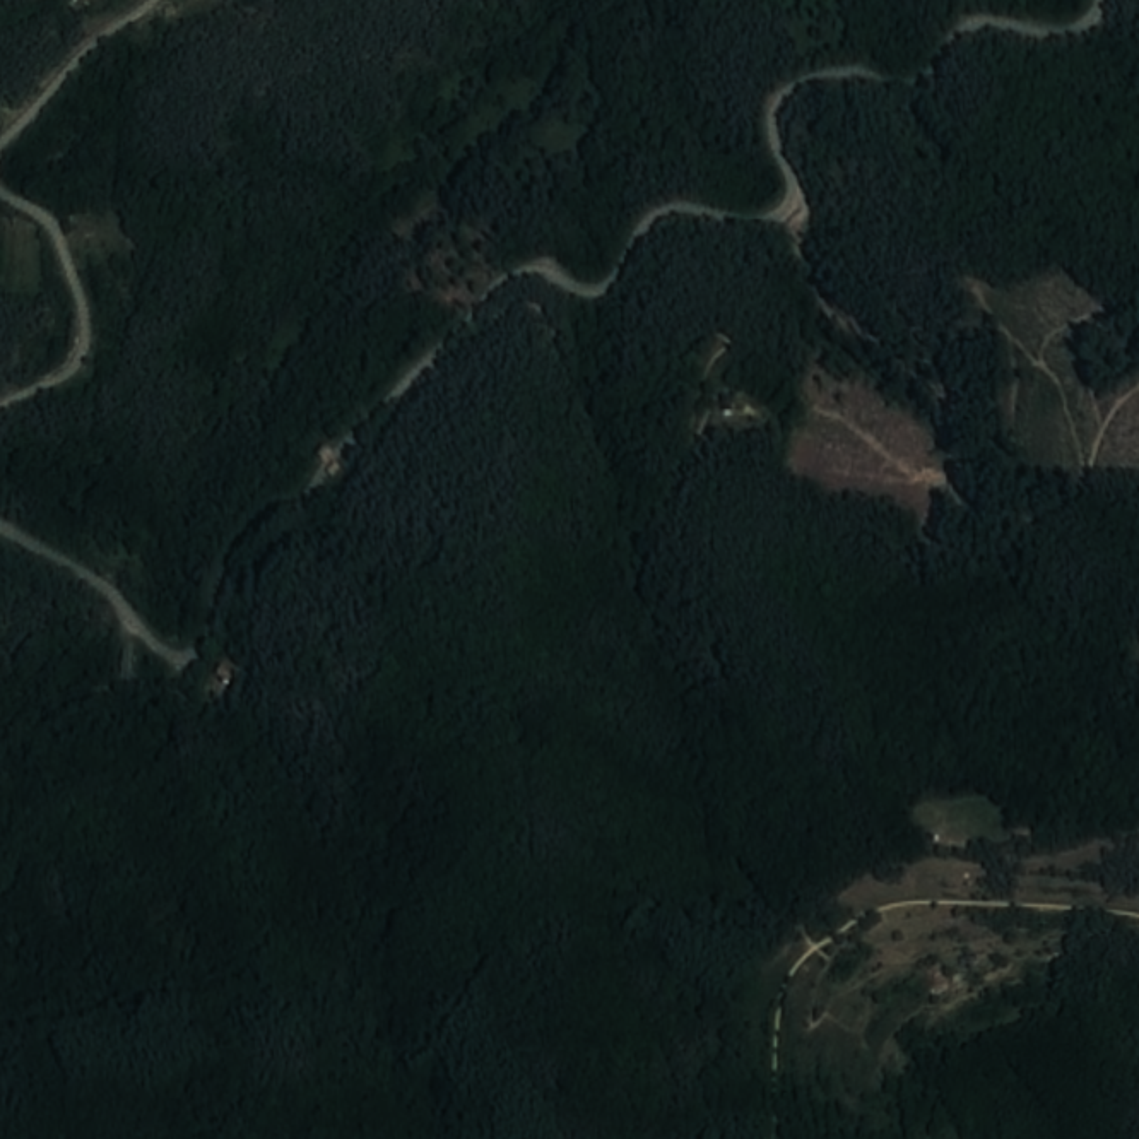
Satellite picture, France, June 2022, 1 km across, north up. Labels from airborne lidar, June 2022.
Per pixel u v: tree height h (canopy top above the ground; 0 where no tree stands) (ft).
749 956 95
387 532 43
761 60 72
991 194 71
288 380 86
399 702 31
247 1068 49
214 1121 27
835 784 45
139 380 70
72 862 28
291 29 58
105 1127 66
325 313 71
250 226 74
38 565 99
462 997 63
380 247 83
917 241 58
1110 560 69
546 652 61
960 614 77
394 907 54
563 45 22
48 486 105
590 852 43
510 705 53
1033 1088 87
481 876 31
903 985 26
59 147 34
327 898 46
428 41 77
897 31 68
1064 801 54
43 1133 57
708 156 73
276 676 56
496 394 52
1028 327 0
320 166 74
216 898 31
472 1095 88
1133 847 34
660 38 93
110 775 43
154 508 98
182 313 92
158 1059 95
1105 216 55
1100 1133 61
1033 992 53
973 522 114
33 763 52
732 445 37
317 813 78
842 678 58
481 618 46
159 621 44
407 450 67
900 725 79
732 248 70
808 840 67
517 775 41
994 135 47
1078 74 48
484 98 52
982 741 87
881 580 73
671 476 39
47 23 54
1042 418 0
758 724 68
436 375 53
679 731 89
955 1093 89
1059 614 64
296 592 110
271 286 57
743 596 58
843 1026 0
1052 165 41
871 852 41
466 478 39
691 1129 63
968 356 124
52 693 77
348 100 52
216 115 60
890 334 116
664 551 70
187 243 68
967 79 69
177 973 46
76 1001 29
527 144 34
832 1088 27
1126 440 0
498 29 59
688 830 75
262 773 35
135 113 58
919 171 73
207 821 23
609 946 56
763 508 58
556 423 75
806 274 93
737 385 29
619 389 90
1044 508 128
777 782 68
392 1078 76
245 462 81
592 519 58
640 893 40
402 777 30
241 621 38
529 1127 82
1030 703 52
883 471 0
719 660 44
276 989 54
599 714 81
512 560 44
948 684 86
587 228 73
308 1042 58
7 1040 61
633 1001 54
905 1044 42
